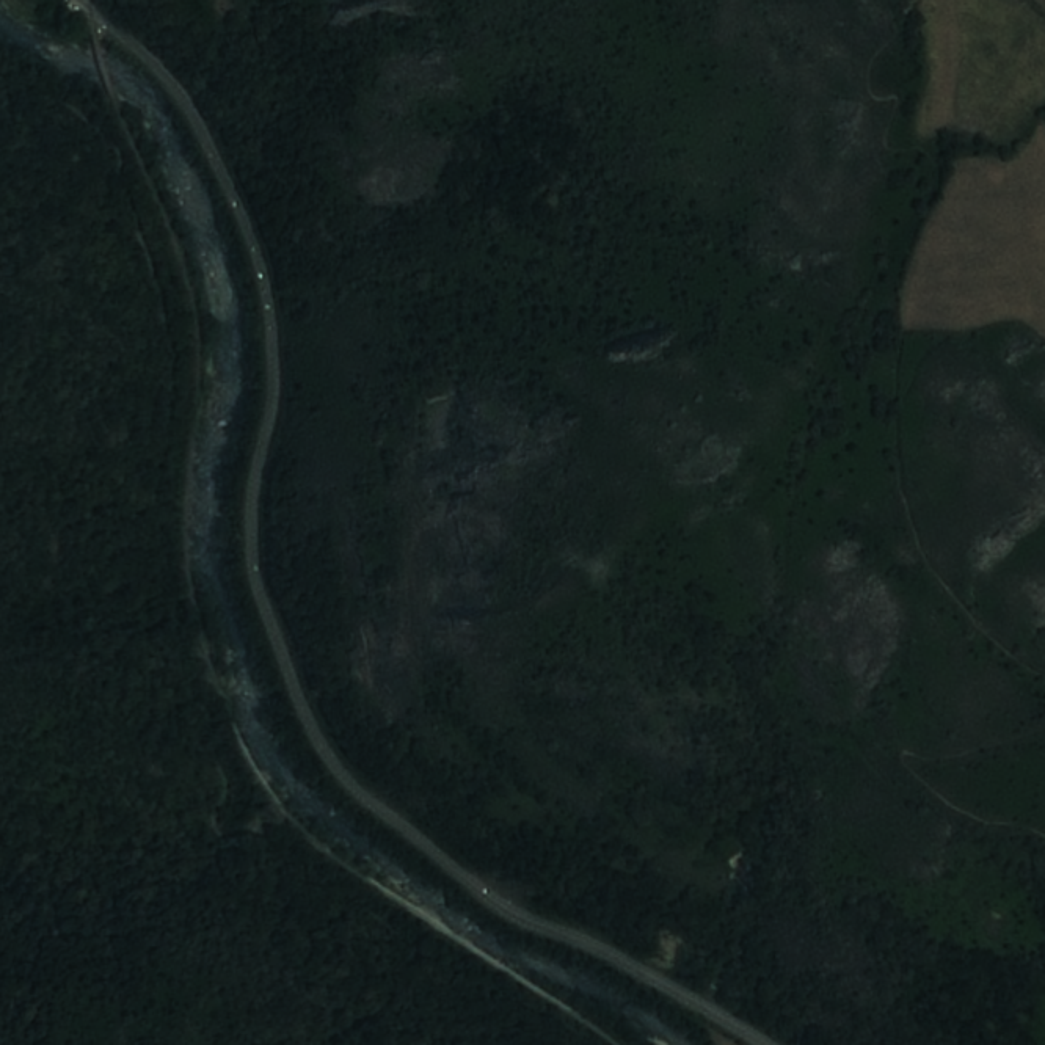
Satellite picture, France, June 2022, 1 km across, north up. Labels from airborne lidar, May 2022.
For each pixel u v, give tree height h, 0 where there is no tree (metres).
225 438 0
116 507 22
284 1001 12
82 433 13
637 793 6
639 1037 25
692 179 0
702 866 5
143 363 19
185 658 16
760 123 0
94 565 15
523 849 15
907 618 0
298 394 6
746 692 9
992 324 0
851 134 0
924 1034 16
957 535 0
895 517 0
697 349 7
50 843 22
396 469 6
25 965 22
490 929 23
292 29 12
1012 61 0
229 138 15
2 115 14
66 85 18
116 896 10
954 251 0
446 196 15
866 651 0
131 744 9
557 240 7
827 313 0
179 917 9
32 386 15
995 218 0
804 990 6
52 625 8
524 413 6
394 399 8
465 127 7
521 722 0
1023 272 0
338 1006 18
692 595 11
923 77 9
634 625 8
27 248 11
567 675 8
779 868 9
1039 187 0
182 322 18
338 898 22
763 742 19
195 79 16
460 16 11
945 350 0
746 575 0
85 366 14
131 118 18
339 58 11
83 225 19
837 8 0
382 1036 21
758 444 0
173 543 18
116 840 17
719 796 10
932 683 0
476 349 9
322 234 13
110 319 22
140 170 11
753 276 9
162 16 18
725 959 28
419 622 0
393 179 0
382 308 11
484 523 0
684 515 0
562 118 21
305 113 6
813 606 0
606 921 27
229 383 0
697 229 10
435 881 20
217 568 0
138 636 26
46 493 16
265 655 16
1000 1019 20
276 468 13
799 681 0
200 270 14
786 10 0
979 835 9
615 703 8
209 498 0
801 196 0
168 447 13
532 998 18
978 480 0
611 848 15
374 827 18
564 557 0
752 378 0
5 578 20
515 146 14
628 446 0
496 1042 21
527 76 8
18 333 6
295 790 0
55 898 18
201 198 0
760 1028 16
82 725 10
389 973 14
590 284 6
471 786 10
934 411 0
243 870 15
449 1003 17
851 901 11
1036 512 0
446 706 6
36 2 0
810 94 0
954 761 0
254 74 8
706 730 8
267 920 10
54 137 21
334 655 8
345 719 18
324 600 18
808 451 7
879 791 0
